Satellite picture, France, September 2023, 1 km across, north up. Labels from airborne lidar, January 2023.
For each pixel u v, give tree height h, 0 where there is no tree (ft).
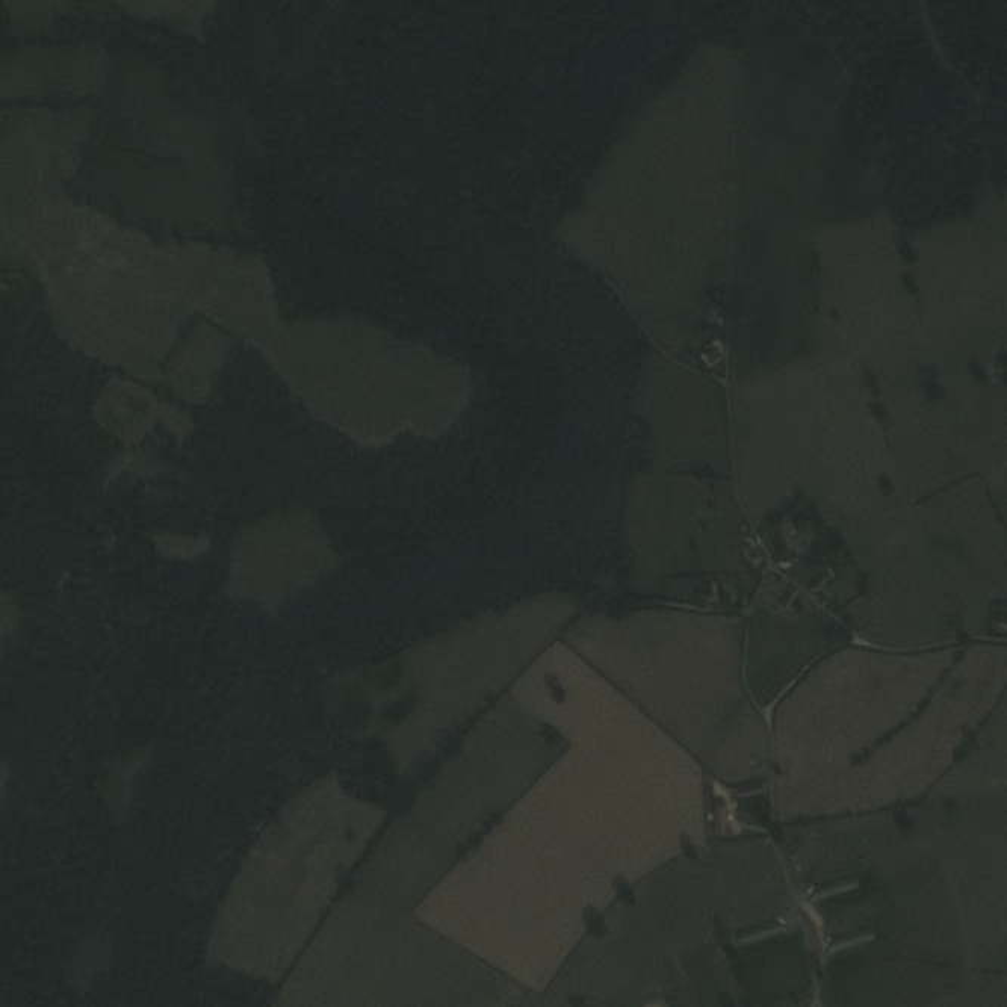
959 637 61
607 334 38
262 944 0
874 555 0
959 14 73
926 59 29
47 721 49
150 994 50
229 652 32
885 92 23
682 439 0
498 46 90
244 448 47
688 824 0
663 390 0
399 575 43
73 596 38
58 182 0
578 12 87
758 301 0
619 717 0
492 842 0
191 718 46
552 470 47
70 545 38
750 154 0
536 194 24
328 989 0
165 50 50
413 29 94
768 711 0
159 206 0
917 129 88
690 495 0
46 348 23
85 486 39
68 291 0
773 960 0
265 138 78
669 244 0
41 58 0
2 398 35
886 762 0
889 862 0
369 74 80
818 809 0
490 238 49
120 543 22
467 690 0
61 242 0
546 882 0
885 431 0
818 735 0
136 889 36
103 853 37
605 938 0
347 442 36
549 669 0
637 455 23
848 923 0
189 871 18
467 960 0
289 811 0
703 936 0
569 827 0
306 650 40
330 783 0
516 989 0
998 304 0
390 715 0
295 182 61
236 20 32
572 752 0
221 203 0
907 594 0
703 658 0
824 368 0
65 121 0
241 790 32
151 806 43
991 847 0
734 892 0
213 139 0
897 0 90
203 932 21
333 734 17
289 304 35
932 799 0
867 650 0
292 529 0
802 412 0
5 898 73
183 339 31
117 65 0
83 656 48
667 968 0
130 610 45
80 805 61
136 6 0
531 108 55
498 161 58
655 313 0
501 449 67
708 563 0
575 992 0
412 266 48
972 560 0
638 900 0
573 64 70
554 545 75
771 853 0
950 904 0
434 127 48
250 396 37
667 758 0
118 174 0
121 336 0
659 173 0
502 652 0
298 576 0
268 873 0
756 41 0
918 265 0
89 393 21
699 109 0
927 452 0
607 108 72
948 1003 0
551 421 61
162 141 0
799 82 0
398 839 0
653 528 0
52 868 39
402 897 0
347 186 30
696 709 0
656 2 58
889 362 0
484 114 23
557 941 0
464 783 0
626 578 22
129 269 0
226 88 73
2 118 0
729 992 0
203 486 25
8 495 31
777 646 0
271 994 24
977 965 0
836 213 0
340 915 0
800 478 0
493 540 40
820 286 0
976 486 0
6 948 74
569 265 45
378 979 0
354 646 29
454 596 63
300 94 84
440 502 66
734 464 0
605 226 0
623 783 0
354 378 0
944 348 0
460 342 73
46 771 29
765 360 0
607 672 0
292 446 54
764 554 21
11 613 0
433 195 50
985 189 0
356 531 68
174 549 0
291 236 43
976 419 0
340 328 0
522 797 0
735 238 0
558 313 27
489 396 51
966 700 0
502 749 0
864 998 0
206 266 0
